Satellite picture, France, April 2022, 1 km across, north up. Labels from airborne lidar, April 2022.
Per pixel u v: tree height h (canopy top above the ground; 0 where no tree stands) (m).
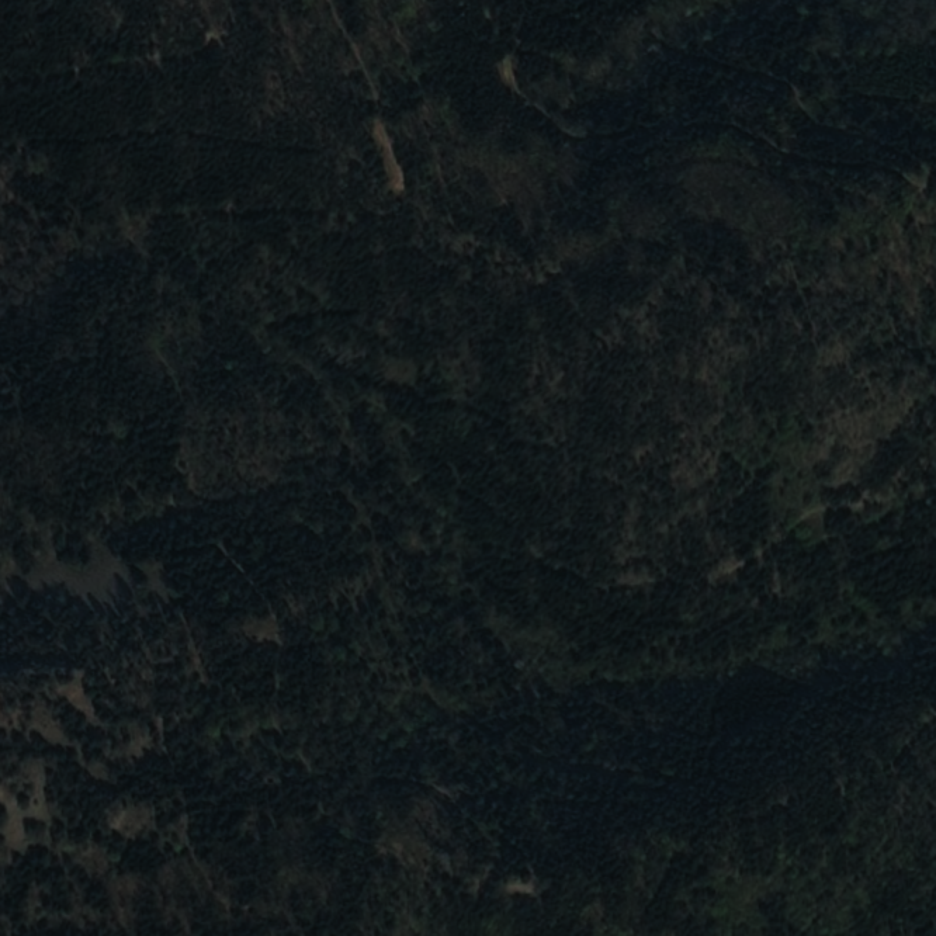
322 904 15
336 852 22
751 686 15
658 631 19
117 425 24
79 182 27
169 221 32
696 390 23
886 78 8
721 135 17
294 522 28
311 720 24
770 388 24
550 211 17
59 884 24
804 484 15
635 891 19
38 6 20
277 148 23
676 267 15
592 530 20
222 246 18
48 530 22
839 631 13
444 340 23
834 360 9
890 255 14
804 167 18
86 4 19
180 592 18
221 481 29
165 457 30
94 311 22
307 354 25
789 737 19
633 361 16
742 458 19
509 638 20
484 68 23
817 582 21
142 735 23
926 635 18
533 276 17
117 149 25
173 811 10
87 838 19
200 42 19
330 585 28
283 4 23
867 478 21
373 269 22
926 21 18
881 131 11
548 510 20
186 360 35
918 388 19
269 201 18
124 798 8
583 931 22
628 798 18
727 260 21
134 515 24
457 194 20
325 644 27
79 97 26
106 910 21
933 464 24
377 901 24
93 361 34
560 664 25
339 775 18
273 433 30
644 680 9
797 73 16
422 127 23
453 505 22
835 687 25
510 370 26
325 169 19
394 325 18
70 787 21
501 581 21
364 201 17
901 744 20
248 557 20
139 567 9
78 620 27
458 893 17
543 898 18
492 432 19
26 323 22
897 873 23
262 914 14
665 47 9
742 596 18
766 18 19
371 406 15
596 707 22
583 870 18
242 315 21
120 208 27
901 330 20
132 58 16
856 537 22
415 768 11
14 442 23
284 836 20
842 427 11
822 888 27
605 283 13
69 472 30
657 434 15
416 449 21
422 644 26
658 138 10
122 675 18
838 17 23
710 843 24
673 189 19
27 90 23
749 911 9
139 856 21
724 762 26
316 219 20
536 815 24
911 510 25
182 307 27
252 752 8
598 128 16
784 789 18
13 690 18
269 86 19
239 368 26
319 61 23
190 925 17
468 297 18
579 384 15
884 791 24
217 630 19
